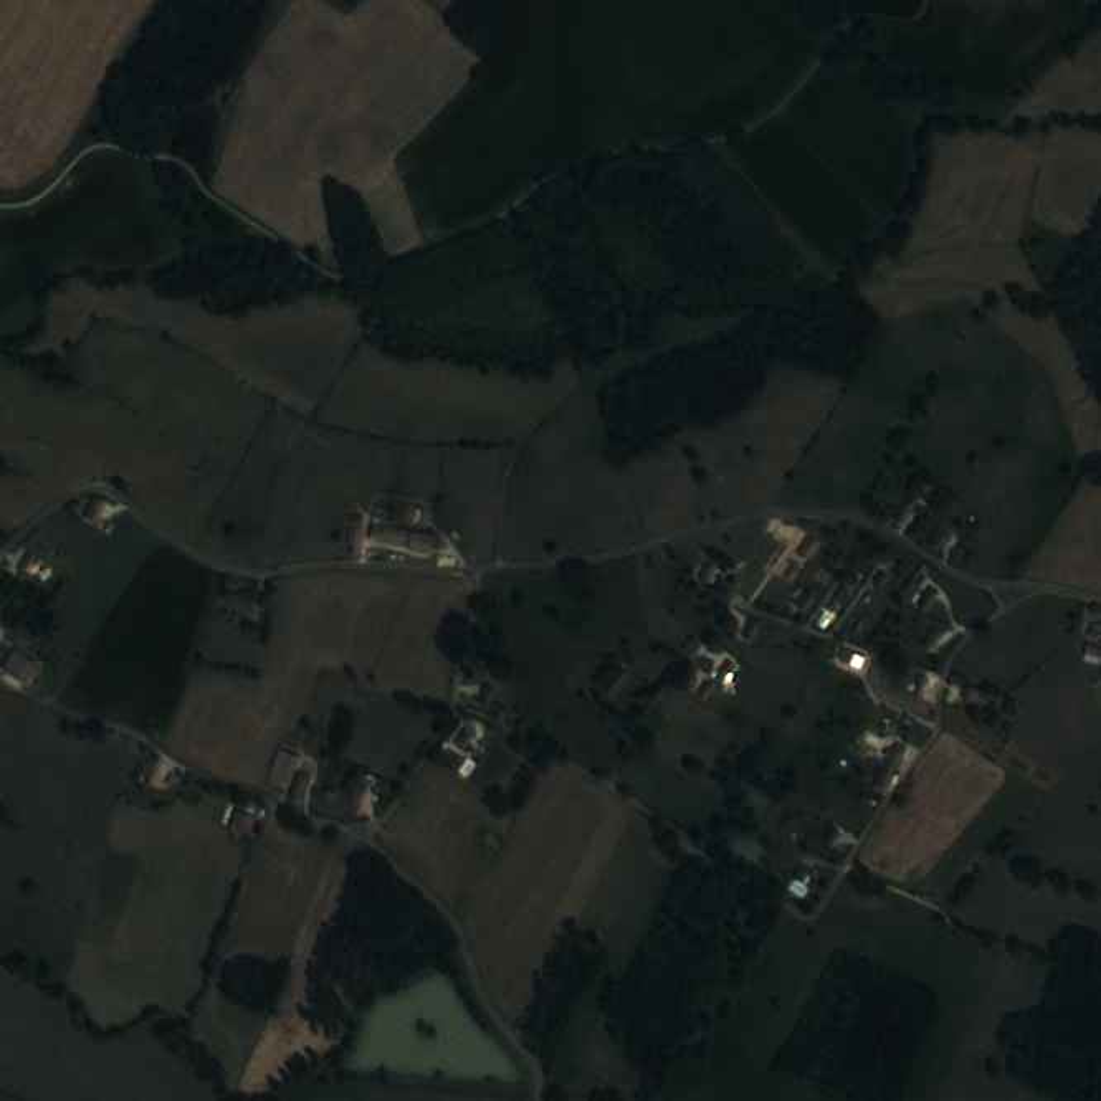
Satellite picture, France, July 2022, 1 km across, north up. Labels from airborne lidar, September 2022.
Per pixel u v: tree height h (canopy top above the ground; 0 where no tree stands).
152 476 0
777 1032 0
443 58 0
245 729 0
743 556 0
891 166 0
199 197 14
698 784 0
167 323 0
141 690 0
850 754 0
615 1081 0
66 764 0
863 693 0
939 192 0
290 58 0
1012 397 0
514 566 0
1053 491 0
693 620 0
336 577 0
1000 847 10
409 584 0
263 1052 0
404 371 0
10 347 15
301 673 0
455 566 0
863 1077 11
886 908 0
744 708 0
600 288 11
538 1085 0
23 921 0
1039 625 0
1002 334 0
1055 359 0
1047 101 0
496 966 0
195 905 0
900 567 8
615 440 18
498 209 0
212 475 0
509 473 0
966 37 0
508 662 17
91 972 0
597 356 14
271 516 0
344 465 0
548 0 0
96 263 0
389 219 0
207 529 0
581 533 0
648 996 23
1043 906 0
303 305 0
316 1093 0
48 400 0
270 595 8
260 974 24
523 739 15
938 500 8
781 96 0
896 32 0
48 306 22
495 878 0
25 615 9
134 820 0
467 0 11
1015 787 0
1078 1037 24
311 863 0
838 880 0
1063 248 0
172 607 0
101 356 0
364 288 27
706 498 0
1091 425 0
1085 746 0
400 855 0
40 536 0
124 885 0
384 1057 0
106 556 0
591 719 0
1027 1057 24
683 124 0
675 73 0
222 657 0
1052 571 0
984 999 0
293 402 0
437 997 0
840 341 24
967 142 0
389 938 23
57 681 0
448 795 0
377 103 0
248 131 0
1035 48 0
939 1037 0
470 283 9
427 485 0
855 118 0
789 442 0
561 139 0
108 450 0
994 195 0
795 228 0
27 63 0
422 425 0
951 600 0
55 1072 0
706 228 19
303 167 0
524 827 0
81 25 0
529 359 9
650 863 0
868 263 20
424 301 9
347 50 0
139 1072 0
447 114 0
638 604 0
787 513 0
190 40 21
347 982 31
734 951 15
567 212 30
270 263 21
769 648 0
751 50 0
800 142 0
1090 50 0
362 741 0
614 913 0
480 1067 0
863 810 0
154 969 0
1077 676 0
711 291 12
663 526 0
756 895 19
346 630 0
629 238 0
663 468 0
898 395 0
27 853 0
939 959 0
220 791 12
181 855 0
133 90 19
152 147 15
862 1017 16
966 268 0
